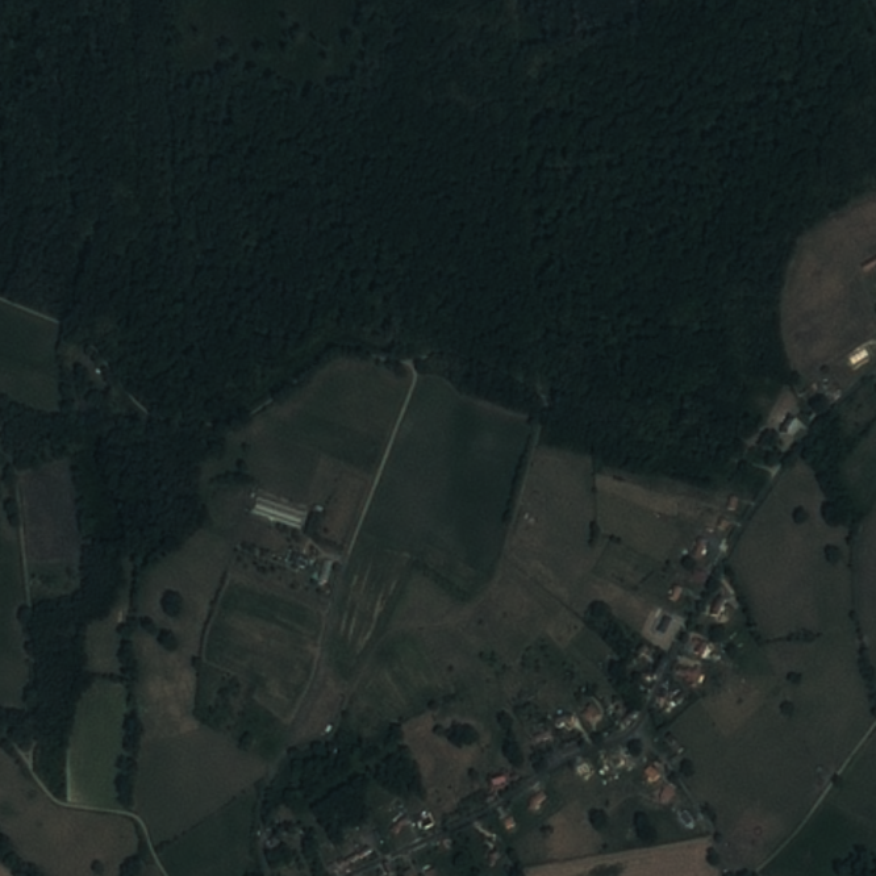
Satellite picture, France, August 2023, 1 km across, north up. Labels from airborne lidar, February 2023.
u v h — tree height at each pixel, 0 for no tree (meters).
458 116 22
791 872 0
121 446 18
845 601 0
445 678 0
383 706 0
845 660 0
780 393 0
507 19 15
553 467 0
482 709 0
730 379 20
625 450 20
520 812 0
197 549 0
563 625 0
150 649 0
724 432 16
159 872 0
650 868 0
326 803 15
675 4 16
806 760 0
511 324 23
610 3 0
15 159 22
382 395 0
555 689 0
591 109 22
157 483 12
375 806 19
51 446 16
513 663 0
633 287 22
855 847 0
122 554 15
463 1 20
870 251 0
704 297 25
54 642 12
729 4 20
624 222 21
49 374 0
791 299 0
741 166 22
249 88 22
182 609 17
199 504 14
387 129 25
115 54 24
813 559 0
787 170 22
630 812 0
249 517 0
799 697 0
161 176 9
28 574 0
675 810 0
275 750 0
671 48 21
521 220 24
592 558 0
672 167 22
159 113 13
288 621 0
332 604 0
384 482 0
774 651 0
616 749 0
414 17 20
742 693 0
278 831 6
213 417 24
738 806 0
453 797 0
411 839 0
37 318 0
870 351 0
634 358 23
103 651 0
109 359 17
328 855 0
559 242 18
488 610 0
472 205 21
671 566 8
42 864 0
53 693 16
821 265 0
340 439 0
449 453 0
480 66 15
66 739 15
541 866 0
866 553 0
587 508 0
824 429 10
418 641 0
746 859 0
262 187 21
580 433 21
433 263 21
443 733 11
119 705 0
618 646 13
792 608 0
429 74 19
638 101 20
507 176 23
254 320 21
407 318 19
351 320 22
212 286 21
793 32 17
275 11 0
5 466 11
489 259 26
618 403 22
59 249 21
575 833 0
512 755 21
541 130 22
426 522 0
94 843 0
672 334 25
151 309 21
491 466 0
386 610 0
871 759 0
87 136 26
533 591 0
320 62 0
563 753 0
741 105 17
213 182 23
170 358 22
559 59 18
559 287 18
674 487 0
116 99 23
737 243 22
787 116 16
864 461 0
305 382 20
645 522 0
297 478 0
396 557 0
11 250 19
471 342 22
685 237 20
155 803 0
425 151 20
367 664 0
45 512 0
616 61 24
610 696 0
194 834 0
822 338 0
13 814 0
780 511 0
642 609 0
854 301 0
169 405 20
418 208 24
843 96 20
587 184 18
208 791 0
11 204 18
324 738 0
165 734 0
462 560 0
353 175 22
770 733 0
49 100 23
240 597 0
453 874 0
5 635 0
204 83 14
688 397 18
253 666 0
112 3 22
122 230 23
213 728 0
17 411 14
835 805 0
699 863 0
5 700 0
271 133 24
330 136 23
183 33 10
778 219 16
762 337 16
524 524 0
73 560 0
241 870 0
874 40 13
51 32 22
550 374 18
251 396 22
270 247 24
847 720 0
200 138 22
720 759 0
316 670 0
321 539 8
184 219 22
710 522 0
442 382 0
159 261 19
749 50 22
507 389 15
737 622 0
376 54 19
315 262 23
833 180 14
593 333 18
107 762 0
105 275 24
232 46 21
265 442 0
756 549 0
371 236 22
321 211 20
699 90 23
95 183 19
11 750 13
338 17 0
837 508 17
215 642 0
